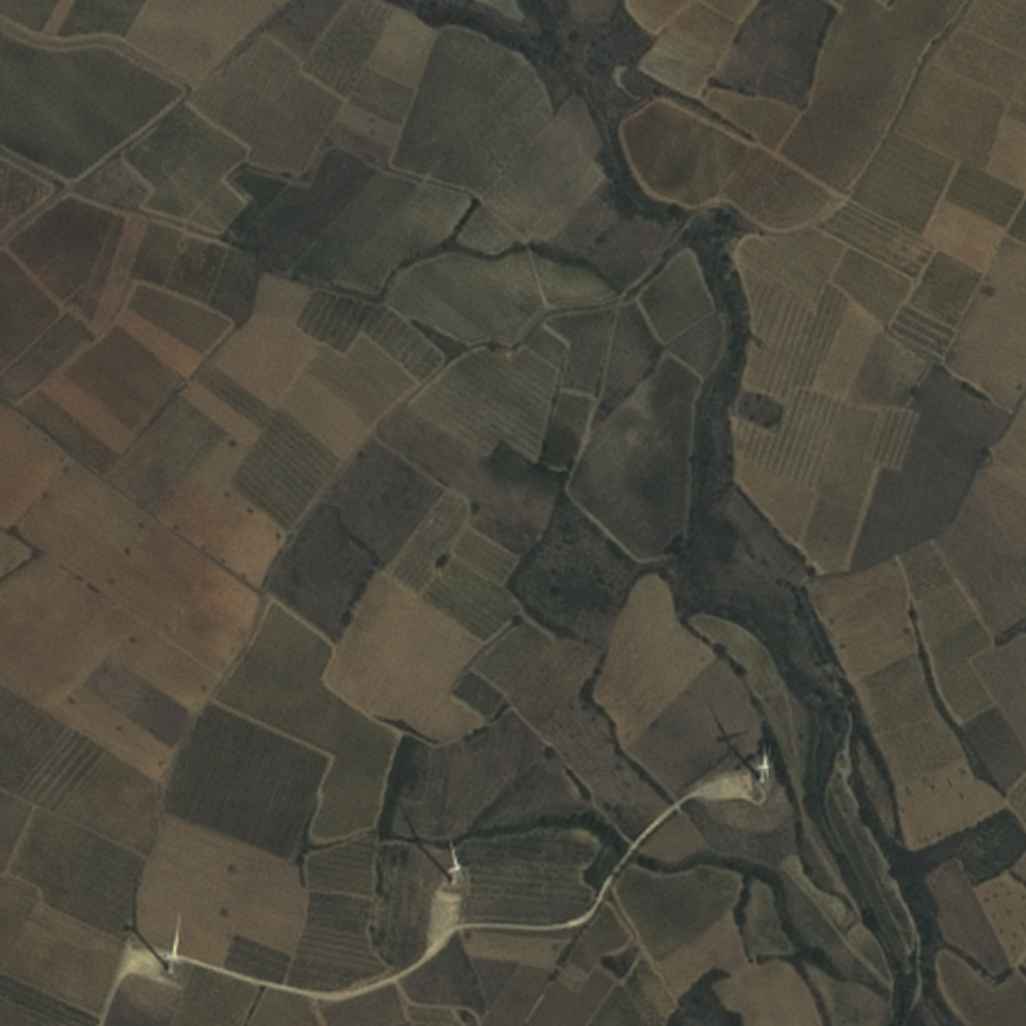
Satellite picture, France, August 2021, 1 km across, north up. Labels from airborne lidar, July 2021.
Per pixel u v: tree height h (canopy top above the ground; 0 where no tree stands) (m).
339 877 0
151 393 0
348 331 0
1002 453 0
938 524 0
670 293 0
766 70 0
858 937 0
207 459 0
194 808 0
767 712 0
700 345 0
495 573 0
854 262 0
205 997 0
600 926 0
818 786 6
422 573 0
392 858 0
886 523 0
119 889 0
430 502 0
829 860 0
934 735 0
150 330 0
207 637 0
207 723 0
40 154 0
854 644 0
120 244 0
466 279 0
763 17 0
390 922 0
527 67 0
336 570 0
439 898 0
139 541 0
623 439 0
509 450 0
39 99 0
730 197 0
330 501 0
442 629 0
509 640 0
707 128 0
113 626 0
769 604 0
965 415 0
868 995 0
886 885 0
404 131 0
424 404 0
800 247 0
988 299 0
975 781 0
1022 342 0
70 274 0
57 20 0
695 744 0
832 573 0
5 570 0
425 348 0
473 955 0
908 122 0
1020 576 0
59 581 0
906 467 0
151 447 0
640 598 0
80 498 0
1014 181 0
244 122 0
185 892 0
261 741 0
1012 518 0
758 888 0
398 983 0
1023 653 0
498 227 0
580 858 0
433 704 0
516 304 0
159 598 0
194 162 0
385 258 0
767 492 0
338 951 0
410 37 0
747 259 0
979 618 0
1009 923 0
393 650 0
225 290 0
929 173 0
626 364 0
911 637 0
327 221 0
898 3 0
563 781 0
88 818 0
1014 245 0
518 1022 0
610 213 0
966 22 0
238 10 0
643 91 0
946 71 0
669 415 0
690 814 0
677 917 0
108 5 0
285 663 0
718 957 0
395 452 0
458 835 0
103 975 0
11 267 0
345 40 0
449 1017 0
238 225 0
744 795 0
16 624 0
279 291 0
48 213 0
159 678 0
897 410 0
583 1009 0
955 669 0
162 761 0
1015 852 0
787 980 0
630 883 0
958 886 0
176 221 0
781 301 0
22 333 0
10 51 0
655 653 0
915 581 0
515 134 0
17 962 0
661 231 0
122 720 0
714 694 0
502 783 0
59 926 0
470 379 0
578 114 0
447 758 0
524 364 0
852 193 0
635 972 0
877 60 0
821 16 0
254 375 0
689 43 0
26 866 0
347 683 0
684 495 0
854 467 0
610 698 0
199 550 0
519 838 0
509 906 0
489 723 0
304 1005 0
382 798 0
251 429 0
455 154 0
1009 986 0
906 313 0
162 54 0
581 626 0
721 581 0
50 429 0
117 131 0
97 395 0
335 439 0
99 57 0
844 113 0
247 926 0
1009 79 0
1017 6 0
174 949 0
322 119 0
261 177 0
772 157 0
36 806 0
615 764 0
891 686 0
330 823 0
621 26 0
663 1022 0
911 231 0
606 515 0
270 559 0
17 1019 0
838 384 0
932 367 0
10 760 0
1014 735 0
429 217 0
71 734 0
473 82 0
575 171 0
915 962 7
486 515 0
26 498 0
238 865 0
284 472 0
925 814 0
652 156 0
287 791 0
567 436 0
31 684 0
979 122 0
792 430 0
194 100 0
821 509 0
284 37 0
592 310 0
